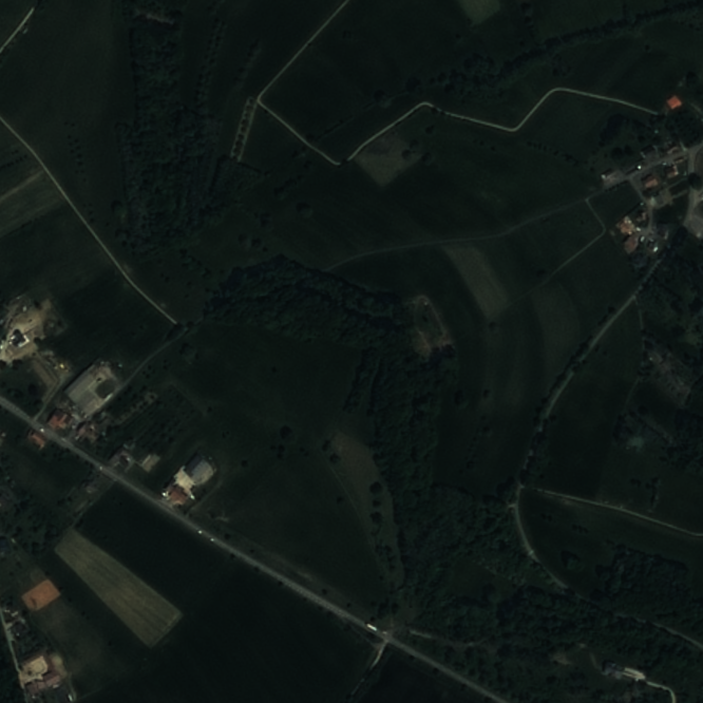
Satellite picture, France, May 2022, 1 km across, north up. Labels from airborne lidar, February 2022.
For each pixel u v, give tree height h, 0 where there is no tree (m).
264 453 0
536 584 0
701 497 0
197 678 0
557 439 0
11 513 0
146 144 13
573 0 0
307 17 0
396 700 0
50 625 0
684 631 0
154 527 0
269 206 0
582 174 0
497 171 0
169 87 15
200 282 0
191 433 0
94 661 0
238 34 0
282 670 0
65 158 0
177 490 0
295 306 34
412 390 35
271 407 0
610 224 0
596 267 0
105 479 0
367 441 0
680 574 24
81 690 0
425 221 0
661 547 0
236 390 0
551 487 0
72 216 0
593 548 0
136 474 0
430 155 8
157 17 22
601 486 0
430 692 0
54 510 0
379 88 0
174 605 0
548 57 18
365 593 0
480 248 0
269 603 0
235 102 0
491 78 13
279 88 0
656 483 10
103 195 0
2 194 0
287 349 0
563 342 0
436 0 0
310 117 0
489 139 0
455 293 0
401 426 31
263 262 0
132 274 0
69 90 0
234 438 0
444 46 0
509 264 0
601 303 0
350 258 0
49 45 0
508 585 0
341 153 0
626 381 0
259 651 0
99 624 0
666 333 0
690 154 0
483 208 0
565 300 0
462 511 21
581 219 0
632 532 0
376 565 0
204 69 8
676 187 0
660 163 0
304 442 0
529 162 0
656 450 0
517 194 0
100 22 0
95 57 0
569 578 0
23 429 0
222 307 21
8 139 0
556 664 8
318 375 0
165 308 0
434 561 22
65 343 0
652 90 0
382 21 0
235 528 0
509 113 0
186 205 17
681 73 0
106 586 0
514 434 0
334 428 0
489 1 0
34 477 0
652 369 10
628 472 0
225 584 0
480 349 0
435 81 8
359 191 0
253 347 0
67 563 0
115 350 0
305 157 0
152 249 8
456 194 0
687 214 0
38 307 12
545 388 0
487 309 0
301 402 0
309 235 0
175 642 0
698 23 0
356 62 0
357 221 0
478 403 0
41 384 0
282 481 0
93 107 0
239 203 8
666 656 18
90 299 0
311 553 0
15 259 0
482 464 0
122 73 0
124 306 0
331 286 27
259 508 0
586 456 0
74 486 0
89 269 0
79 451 0
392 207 0
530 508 0
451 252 0
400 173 0
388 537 0
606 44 0
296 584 0
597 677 0
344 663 0
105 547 0
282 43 0
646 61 0
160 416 0
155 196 20
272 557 0
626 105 0
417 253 0
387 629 0
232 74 0
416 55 0
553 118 0
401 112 0
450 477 0
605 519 0
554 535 0
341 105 0
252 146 0
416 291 0
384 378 24
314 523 0
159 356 0
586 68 0
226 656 0
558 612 7
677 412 0
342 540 0
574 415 0
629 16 14
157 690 0
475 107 0
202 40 0
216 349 0
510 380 0
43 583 0
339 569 0
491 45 0
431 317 0
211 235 0
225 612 0
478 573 0
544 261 0
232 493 0
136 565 0
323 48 0
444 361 26
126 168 14
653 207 0
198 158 21
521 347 0
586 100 0
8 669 23
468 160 0
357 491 0
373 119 0
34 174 0
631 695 0
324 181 0
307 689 0
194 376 0
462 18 0
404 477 25
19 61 0
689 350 0
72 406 0
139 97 10
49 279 0
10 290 0
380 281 0
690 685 0
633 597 26
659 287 15
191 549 0
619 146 0
